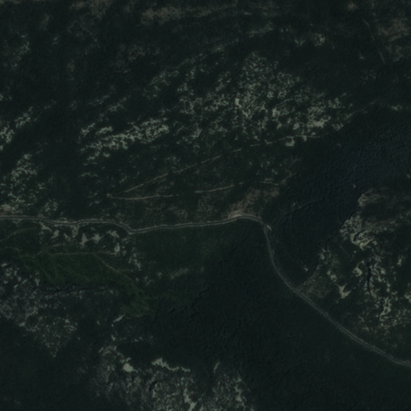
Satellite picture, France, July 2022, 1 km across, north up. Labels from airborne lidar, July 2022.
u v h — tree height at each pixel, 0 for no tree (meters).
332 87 9
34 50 8
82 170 6
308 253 12
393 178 15
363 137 7
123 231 10
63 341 5
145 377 8
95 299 5
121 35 9
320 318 12
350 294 9
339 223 8
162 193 7
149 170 7
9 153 9
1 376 9
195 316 19
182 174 6
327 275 6
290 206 6
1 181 6
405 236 8
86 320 9
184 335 16
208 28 6
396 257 6
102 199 10
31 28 6
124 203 8
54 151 7
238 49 10
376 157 13
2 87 6
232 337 14
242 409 7
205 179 6
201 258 9
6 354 5
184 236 9
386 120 9
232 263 22
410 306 8
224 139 6
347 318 6
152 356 12
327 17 13
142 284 6
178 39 7
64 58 7
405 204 6
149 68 7
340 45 8
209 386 7
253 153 7
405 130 12
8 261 8
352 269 9
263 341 13
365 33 7
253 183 10
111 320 10
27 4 6
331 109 9
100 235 7
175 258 7
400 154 16
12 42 7
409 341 6
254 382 11
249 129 7
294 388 9
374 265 7
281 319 10
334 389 9
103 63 6
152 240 8
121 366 8
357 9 6
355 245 7
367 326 7
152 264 6
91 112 7
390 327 6
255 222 9
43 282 12
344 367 10
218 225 8
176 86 8
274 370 11
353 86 8
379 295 6
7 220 7
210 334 16
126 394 8
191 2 6
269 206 10
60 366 6
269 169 7
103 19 6
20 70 8
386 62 6
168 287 9
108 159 7
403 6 6
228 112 7
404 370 9
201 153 7
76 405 6
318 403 10
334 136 9
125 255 8
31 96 7
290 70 6
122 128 7
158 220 5
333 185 14
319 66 10
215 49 0
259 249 16
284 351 12
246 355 13
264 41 10
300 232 8
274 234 6
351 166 11
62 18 7
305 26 7
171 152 6
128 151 8
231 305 18
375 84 8
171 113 7
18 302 7
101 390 5
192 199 11
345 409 17
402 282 7
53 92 8
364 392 11
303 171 13
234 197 13
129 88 6
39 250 6
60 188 6
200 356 9
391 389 7
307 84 8
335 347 9
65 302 7
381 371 9
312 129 8
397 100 7
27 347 6
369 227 0
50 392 9
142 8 7
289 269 8
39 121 10
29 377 6
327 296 7
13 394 7
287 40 8
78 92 6
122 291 10
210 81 8
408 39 6
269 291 14
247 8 8
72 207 10
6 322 8
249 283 20
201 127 10
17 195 6
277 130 7
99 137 7
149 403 7
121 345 7
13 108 7
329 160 10
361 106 6
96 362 10
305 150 8
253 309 14
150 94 6
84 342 6
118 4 8
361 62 11
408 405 8
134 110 10
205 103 6
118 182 6
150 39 8
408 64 9
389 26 6
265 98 9
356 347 9
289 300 11
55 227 10
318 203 10
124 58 6
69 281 9
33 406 7
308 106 6
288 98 8
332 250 6
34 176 6
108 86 7
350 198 14
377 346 7
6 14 6
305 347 11
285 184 7
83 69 7
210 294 13
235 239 9
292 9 6
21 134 6
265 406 11
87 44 7
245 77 7
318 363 12
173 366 10
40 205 7
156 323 13
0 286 10
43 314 7
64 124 7
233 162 8
